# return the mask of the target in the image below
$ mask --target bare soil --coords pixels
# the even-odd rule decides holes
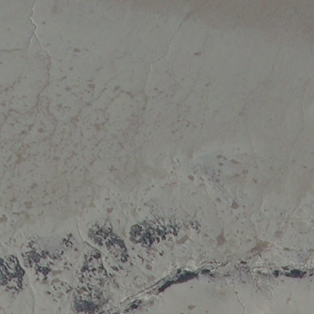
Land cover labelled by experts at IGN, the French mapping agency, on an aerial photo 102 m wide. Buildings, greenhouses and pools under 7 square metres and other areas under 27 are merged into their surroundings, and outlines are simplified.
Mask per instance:
[[[314,0],[0,0],[0,314],[314,314]]]

